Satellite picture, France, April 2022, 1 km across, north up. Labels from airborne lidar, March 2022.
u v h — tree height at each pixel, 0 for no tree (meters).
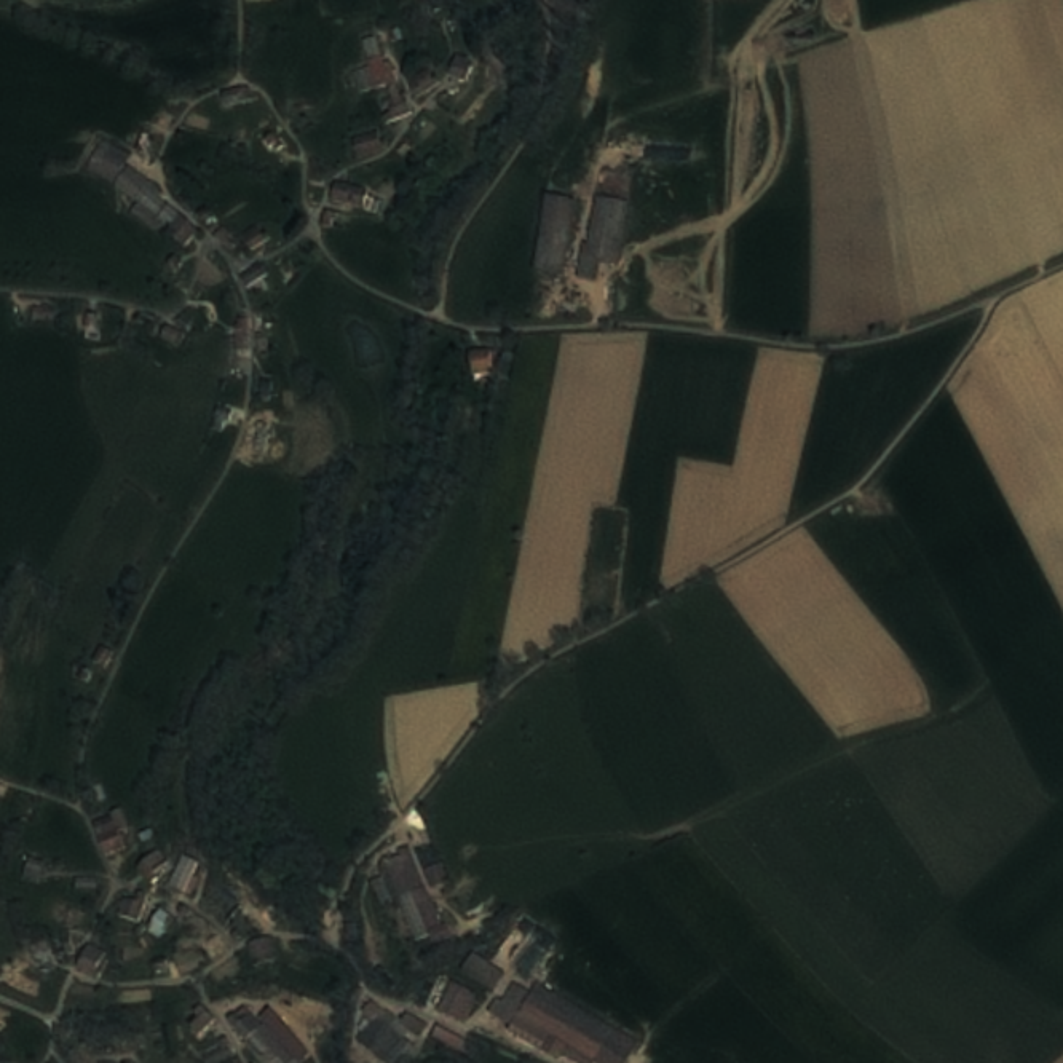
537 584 0
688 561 0
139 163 0
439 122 0
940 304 0
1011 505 0
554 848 0
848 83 0
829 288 0
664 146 0
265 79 0
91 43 17
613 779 0
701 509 0
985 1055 0
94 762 0
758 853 0
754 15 0
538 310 0
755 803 0
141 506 0
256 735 21
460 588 0
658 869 0
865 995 0
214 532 0
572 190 0
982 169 0
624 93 0
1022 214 0
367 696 0
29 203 0
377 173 0
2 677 0
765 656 0
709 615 0
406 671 0
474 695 0
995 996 0
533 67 22
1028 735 0
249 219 0
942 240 0
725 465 0
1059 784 0
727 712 0
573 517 0
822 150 0
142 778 0
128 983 0
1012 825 0
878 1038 0
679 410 0
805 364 0
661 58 0
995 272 0
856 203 0
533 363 0
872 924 0
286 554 0
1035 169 0
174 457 0
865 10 0
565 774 0
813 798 0
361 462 10
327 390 21
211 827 25
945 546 0
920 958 0
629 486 0
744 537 0
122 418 0
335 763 0
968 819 0
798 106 0
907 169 0
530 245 0
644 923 0
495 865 0
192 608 0
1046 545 0
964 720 0
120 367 0
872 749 0
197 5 0
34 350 0
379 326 0
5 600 16
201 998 17
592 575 0
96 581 0
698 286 0
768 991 0
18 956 0
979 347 0
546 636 0
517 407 0
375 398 0
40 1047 0
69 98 0
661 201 0
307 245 0
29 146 0
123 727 0
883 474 0
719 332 0
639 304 0
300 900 22
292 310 0
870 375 0
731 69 0
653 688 0
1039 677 0
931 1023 0
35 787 0
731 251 0
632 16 0
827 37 0
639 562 0
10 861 6
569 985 0
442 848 0
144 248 0
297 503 0
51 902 0
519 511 0
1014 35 0
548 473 0
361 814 0
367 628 24
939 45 0
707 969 0
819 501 0
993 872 0
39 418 0
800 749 0
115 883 0
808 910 0
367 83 0
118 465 0
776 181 0
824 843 0
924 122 0
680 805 0
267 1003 0
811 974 0
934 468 0
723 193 0
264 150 0
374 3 0
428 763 0
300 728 0
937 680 0
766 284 0
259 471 0
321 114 0
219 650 0
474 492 0
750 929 0
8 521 0
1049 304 0
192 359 0
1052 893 0
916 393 0
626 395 0
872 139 0
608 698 0
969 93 0
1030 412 0
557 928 0
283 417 0
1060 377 0
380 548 15
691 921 0
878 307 0
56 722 0
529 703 0
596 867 0
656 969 0
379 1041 0
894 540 0
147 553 0
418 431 20
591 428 0
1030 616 0
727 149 0
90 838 0
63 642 0
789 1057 0
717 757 0
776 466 0
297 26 0
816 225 0
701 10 0
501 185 0
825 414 0
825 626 0
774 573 0
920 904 0
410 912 0
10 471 0
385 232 0
